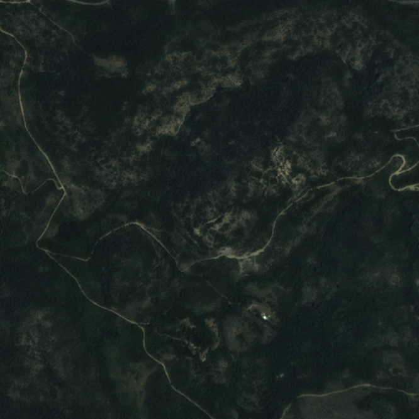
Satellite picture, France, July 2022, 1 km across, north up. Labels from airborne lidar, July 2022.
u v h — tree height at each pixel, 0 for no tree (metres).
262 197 6
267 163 6
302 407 0
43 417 6
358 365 5
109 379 8
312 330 9
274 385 6
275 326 9
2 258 8
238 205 8
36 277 7
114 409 8
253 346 6
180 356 9
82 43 6
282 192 8
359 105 7
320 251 5
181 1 7
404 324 7
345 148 6
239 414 6
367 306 7
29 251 6
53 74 6
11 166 0
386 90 6
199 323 11
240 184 6
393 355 0
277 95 7
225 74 6
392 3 7
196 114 6
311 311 6
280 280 6
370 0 6
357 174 8
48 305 8
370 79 8
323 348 6
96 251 6
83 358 7
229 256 0
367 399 7
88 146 7
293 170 5
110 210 7
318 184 7
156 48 7
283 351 6
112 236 8
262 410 7
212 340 9
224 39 6
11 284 7
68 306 7
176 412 8
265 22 6
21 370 7
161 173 7
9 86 9
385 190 6
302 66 7
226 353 10
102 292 8
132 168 7
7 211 8
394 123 11
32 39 6
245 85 7
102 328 5
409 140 6
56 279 6
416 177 8
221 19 7
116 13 8
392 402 6
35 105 7
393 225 6
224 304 8
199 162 6
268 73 6
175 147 7
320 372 8
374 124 6
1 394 7
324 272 8
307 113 6
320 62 7
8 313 6
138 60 6
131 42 6
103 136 6
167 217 7
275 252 6
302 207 8
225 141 6
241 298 10
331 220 6
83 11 6
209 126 7
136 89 7
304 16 7
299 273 6
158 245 7
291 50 8
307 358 8
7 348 7
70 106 8
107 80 6
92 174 9
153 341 6
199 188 6
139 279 6
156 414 6
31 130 9
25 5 7
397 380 5
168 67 7
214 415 8
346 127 6
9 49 7
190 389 6
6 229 8
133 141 7
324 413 0
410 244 10
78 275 6
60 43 7
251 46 6
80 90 6
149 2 6
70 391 6
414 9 7
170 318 8
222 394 9
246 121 7
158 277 6
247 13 6
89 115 6
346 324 6
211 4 6
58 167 6
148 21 8
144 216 8
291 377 7
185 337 7
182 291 10
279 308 5
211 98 8
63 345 6
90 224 9
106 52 7
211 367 6
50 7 6
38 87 10
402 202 8
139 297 8
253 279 9
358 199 8
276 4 6
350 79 6
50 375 7
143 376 0
